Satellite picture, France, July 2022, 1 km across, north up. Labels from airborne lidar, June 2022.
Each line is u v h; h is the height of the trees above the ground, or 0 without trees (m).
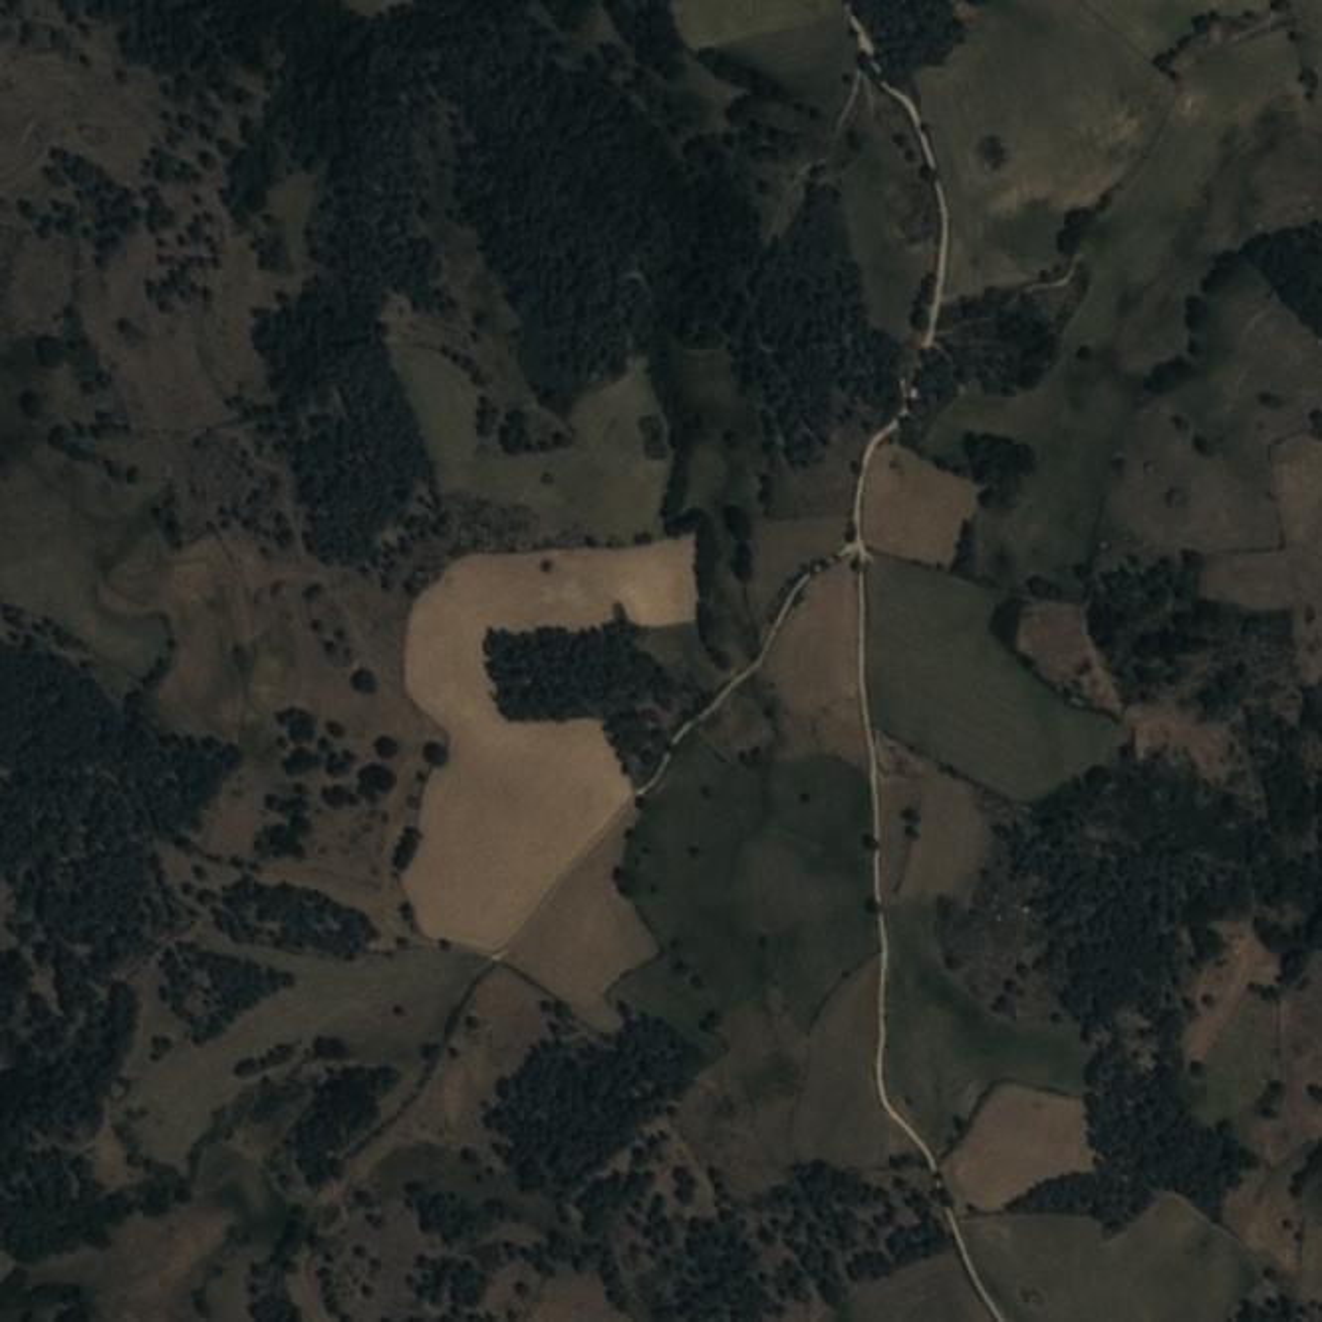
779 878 0
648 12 7
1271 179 0
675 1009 0
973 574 6
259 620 0
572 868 0
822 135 0
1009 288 0
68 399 0
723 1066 0
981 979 0
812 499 0
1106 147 0
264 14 10
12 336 0
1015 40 0
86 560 0
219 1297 0
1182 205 0
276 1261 9
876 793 0
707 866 0
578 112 15
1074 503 0
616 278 17
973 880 0
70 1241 16
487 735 0
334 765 9
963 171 0
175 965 14
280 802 13
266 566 0
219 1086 0
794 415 20
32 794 24
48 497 0
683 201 18
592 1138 18
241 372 0
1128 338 0
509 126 16
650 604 0
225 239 0
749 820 0
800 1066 0
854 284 12
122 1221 10
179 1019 12
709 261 13
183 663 0
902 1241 13
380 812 0
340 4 9
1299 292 25
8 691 19
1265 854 19
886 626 0
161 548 0
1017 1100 0
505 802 0
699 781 0
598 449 0
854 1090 0
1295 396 0
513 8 12
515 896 0
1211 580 0
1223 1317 0
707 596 11
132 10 17
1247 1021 0
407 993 0
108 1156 0
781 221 0
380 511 20
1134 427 0
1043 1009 0
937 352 12
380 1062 0
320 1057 13
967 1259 0
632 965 0
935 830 0
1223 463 0
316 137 6
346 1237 0
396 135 21
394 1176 0
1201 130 0
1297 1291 0
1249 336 0
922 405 10
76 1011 15
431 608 0
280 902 17
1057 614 0
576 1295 0
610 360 11
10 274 0
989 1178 0
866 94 0
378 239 15
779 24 0
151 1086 0
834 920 0
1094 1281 0
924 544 0
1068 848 10
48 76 0
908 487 0
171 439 0
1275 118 0
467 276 0
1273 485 0
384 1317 0
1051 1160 0
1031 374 15
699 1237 12
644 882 0
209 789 21
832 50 0
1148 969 17
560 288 19
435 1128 0
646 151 16
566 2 16
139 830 13
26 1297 8
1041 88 0
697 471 0
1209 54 0
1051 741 0
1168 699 0
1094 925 13
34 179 0
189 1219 0
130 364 0
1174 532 0
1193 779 0
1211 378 0
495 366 0
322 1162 12
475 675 0
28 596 0
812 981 0
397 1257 0
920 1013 0
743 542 10
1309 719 15
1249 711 11
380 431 19
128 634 0
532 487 0
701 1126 0
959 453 0
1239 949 0
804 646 0
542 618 0
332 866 0
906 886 0
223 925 14
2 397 0
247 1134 0
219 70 6
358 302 16
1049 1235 0
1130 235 0
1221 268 16
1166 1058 16
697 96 0
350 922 16
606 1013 0
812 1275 11
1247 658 0
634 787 0
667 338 7
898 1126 0
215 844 0
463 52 12
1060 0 0
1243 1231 0
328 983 0
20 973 16
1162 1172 19
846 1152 0
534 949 0
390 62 18
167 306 7
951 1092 0
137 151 0
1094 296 0
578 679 22
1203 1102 0
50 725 23
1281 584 0
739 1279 21
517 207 17
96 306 0
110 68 0
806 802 8
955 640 0
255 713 0
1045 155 0
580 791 0
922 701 0
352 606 0
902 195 0
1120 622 16
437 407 0
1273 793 16
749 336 19
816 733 0
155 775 19
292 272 0
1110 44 0
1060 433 0
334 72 15
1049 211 0
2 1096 24
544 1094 16
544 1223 0
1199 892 9
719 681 0
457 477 0
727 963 0
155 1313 0
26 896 12
